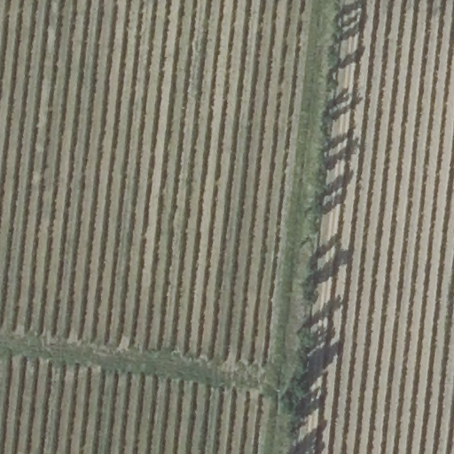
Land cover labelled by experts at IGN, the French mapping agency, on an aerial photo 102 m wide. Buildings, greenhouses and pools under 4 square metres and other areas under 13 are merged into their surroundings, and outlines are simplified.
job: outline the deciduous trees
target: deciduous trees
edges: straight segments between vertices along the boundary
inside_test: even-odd
[[[321,231],[321,222],[325,215],[317,211],[305,216],[301,223],[303,238],[316,238],[316,232]]]
[[[300,349],[298,330],[303,326],[307,316],[316,314],[312,305],[319,296],[316,286],[303,284],[309,275],[312,275],[309,266],[312,252],[310,245],[303,245],[298,255],[296,277],[293,282],[293,312],[287,326],[286,348],[296,351]]]
[[[335,28],[335,0],[314,0],[310,16],[307,64],[293,172],[293,184],[298,181],[307,188],[307,200],[303,200],[303,207],[312,206],[316,202],[316,193],[323,192],[330,184],[326,183],[328,168],[325,168],[319,158],[319,151],[326,144],[323,137],[325,103],[333,98],[332,92],[326,92],[326,76],[330,69],[328,53]]]
[[[294,372],[289,390],[284,394],[284,406],[294,413],[296,404],[303,399],[301,376],[300,372]]]

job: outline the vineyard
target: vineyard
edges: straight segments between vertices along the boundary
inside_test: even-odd
[[[298,181],[293,184],[293,172],[307,64],[310,16],[314,0],[0,0],[0,454],[264,454],[271,399],[264,399],[261,392],[268,387],[270,380],[275,380],[273,374],[282,372],[287,364],[298,365],[301,362],[301,376],[303,399],[296,404],[294,413],[296,417],[291,429],[298,433],[301,442],[291,447],[287,454],[454,454],[454,0],[335,0],[335,28],[328,53],[330,69],[326,76],[326,92],[332,92],[333,98],[325,103],[323,137],[326,144],[319,151],[319,158],[325,168],[328,168],[326,183],[330,184],[323,192],[316,193],[316,202],[312,206],[303,207],[303,200],[307,200],[307,188]],[[305,216],[317,211],[325,215],[321,222],[321,231],[316,232],[316,238],[303,238],[301,223]],[[312,252],[309,266],[312,275],[309,275],[303,284],[316,286],[319,296],[312,305],[316,314],[307,316],[303,326],[298,330],[300,349],[296,351],[286,348],[287,326],[293,312],[293,282],[296,277],[298,255],[303,245],[310,245]]]

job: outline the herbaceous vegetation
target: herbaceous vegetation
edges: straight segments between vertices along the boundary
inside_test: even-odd
[[[301,362],[298,365],[287,364],[282,372],[273,374],[275,380],[270,380],[268,387],[261,392],[264,399],[271,399],[264,454],[287,454],[291,447],[301,442],[298,433],[291,429],[296,417],[294,413],[284,406],[284,394],[289,390],[294,372],[300,372],[301,376]]]

